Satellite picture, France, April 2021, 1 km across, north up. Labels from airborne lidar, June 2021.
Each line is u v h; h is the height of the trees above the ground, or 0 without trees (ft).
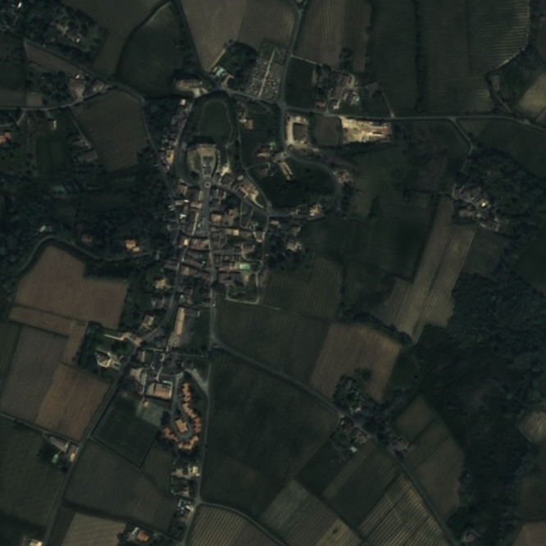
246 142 0
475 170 34
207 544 0
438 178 0
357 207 0
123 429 0
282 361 0
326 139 0
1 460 0
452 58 0
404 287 0
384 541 0
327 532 0
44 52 0
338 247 0
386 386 0
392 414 52
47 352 0
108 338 0
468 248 0
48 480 0
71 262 0
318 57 0
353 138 0
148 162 22
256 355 0
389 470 0
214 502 0
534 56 64
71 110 25
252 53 65
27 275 0
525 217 41
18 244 35
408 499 0
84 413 0
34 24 56
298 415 0
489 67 0
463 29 0
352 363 0
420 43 40
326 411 0
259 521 0
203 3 0
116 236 63
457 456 0
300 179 0
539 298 48
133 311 0
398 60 0
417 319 0
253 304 0
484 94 0
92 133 0
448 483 0
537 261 0
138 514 0
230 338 0
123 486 0
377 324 44
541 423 0
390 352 0
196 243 0
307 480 0
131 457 0
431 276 0
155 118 33
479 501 43
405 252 0
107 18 0
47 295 0
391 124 0
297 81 0
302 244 0
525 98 0
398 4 0
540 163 0
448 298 0
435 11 0
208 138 0
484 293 20
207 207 0
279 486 0
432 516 0
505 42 0
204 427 0
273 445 0
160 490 0
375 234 0
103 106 0
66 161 0
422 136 0
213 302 0
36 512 0
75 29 36
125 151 0
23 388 0
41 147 0
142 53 0
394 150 0
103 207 0
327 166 0
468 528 31
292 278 0
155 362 0
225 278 0
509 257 62
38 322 0
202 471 0
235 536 0
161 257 26
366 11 0
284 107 0
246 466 0
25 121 0
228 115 0
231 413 0
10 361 0
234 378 0
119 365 0
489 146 0
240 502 0
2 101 0
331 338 0
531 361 45
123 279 0
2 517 0
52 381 0
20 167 29
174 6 0
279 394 0
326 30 0
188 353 40
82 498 0
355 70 0
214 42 0
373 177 0
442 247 0
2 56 0
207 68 0
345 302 30
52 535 0
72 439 0
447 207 0
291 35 0
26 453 0
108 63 0
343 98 0
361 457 0
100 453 0
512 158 53
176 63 0
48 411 0
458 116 0
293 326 0
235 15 0
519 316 54
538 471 0
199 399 47
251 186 0
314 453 0
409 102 0
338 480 0
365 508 0
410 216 0
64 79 25
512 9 0
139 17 0
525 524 0
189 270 0
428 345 0
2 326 0
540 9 35
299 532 0
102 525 0
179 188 0
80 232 29
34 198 19
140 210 29
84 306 0
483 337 64
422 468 0
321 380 0
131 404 0
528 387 34
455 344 26
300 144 0
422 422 0
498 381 41
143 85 0
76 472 0
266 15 0
